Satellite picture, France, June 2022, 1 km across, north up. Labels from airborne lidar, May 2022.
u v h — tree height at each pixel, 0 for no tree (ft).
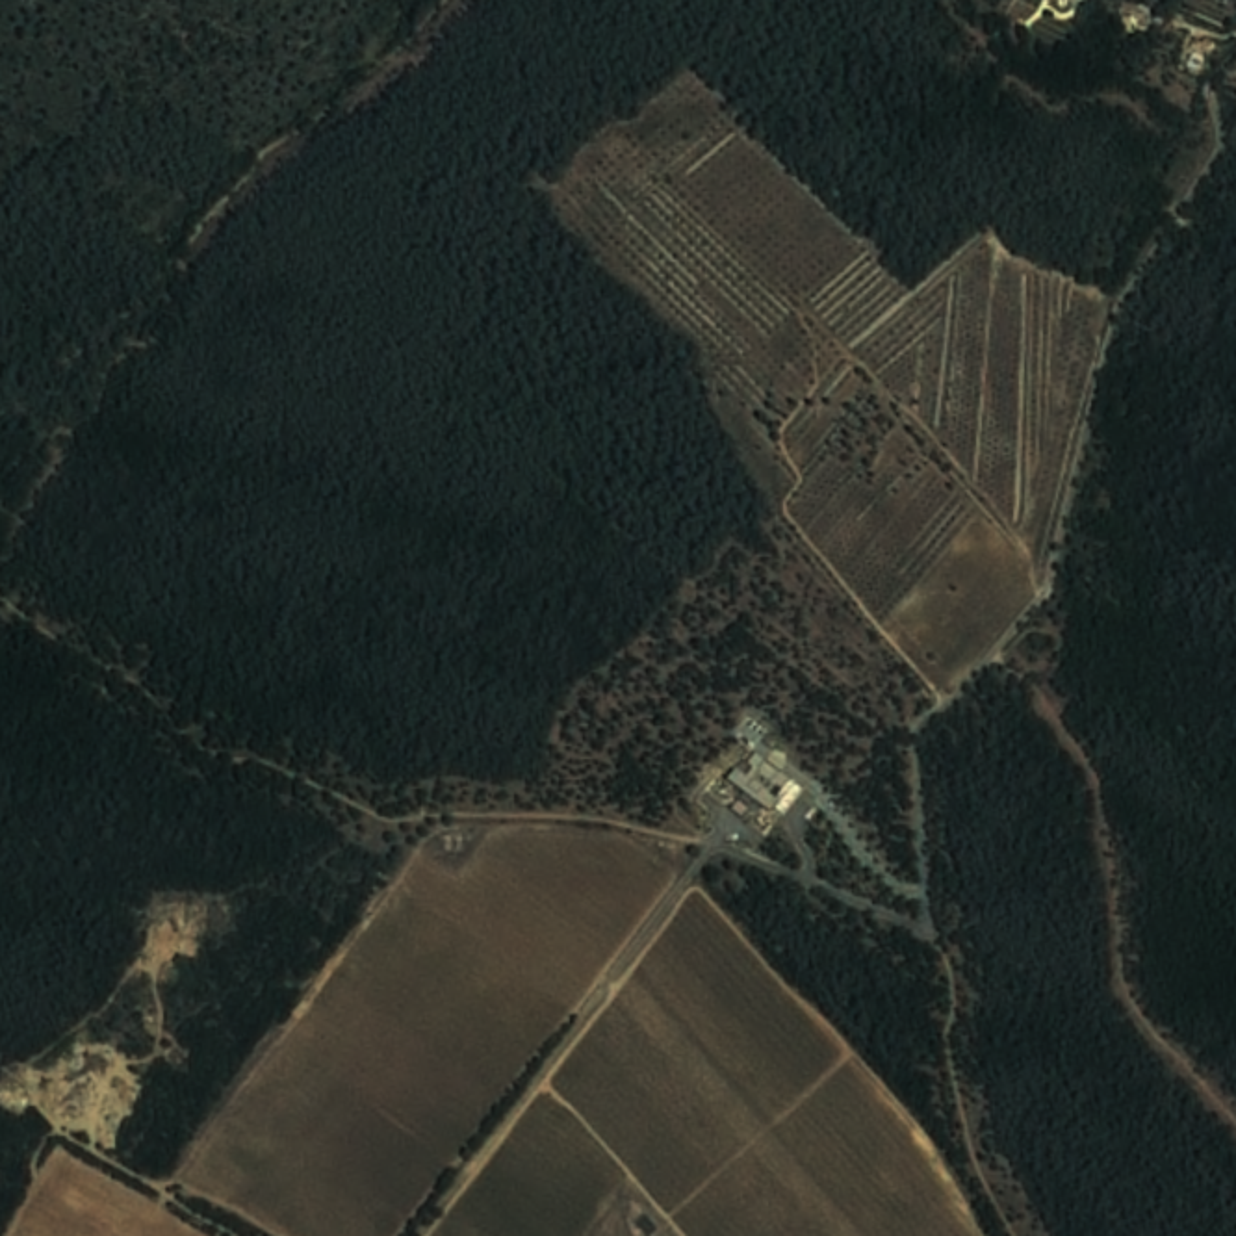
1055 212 47
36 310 53
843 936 53
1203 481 35
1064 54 51
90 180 25
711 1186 0
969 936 25
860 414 29
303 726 58
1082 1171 44
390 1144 0
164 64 27
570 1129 0
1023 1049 47
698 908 0
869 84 65
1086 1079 41
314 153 57
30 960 48
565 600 26
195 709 46
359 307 56
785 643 22
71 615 37
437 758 19
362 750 49
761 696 21
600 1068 0
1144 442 39
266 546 60
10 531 34
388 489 37
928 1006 43
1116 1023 36
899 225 69
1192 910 29
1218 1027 40
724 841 0
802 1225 0
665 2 58
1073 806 46
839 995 62
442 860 0
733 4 63
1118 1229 41
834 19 59
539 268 75
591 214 0
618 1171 0
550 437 49
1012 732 32
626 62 60
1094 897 45
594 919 0
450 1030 0
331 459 54
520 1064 0
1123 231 61
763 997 0
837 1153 0
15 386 58
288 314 69
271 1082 0
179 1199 28
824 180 61
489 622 31
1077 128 48
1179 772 47
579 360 66
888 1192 0
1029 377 0
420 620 50
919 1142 0
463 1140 0
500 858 0
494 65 64
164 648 46
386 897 0
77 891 23
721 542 30
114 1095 0
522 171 60
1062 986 24
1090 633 33
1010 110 46
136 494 32
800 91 63
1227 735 22
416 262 61
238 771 40
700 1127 0
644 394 66
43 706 47
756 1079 0
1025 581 0
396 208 61
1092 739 62
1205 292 59
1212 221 24
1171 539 18
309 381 55
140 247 54
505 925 0
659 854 0
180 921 0
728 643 30
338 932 28
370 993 0
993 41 32
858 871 23
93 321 60
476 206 66
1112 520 45
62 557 70
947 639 0
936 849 20
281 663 51
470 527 44
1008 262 0
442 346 56
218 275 59
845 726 28
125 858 28
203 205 65
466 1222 0
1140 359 37
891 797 25
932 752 30
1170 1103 19
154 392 52
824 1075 0
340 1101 0
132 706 33
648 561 35
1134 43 41
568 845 0
